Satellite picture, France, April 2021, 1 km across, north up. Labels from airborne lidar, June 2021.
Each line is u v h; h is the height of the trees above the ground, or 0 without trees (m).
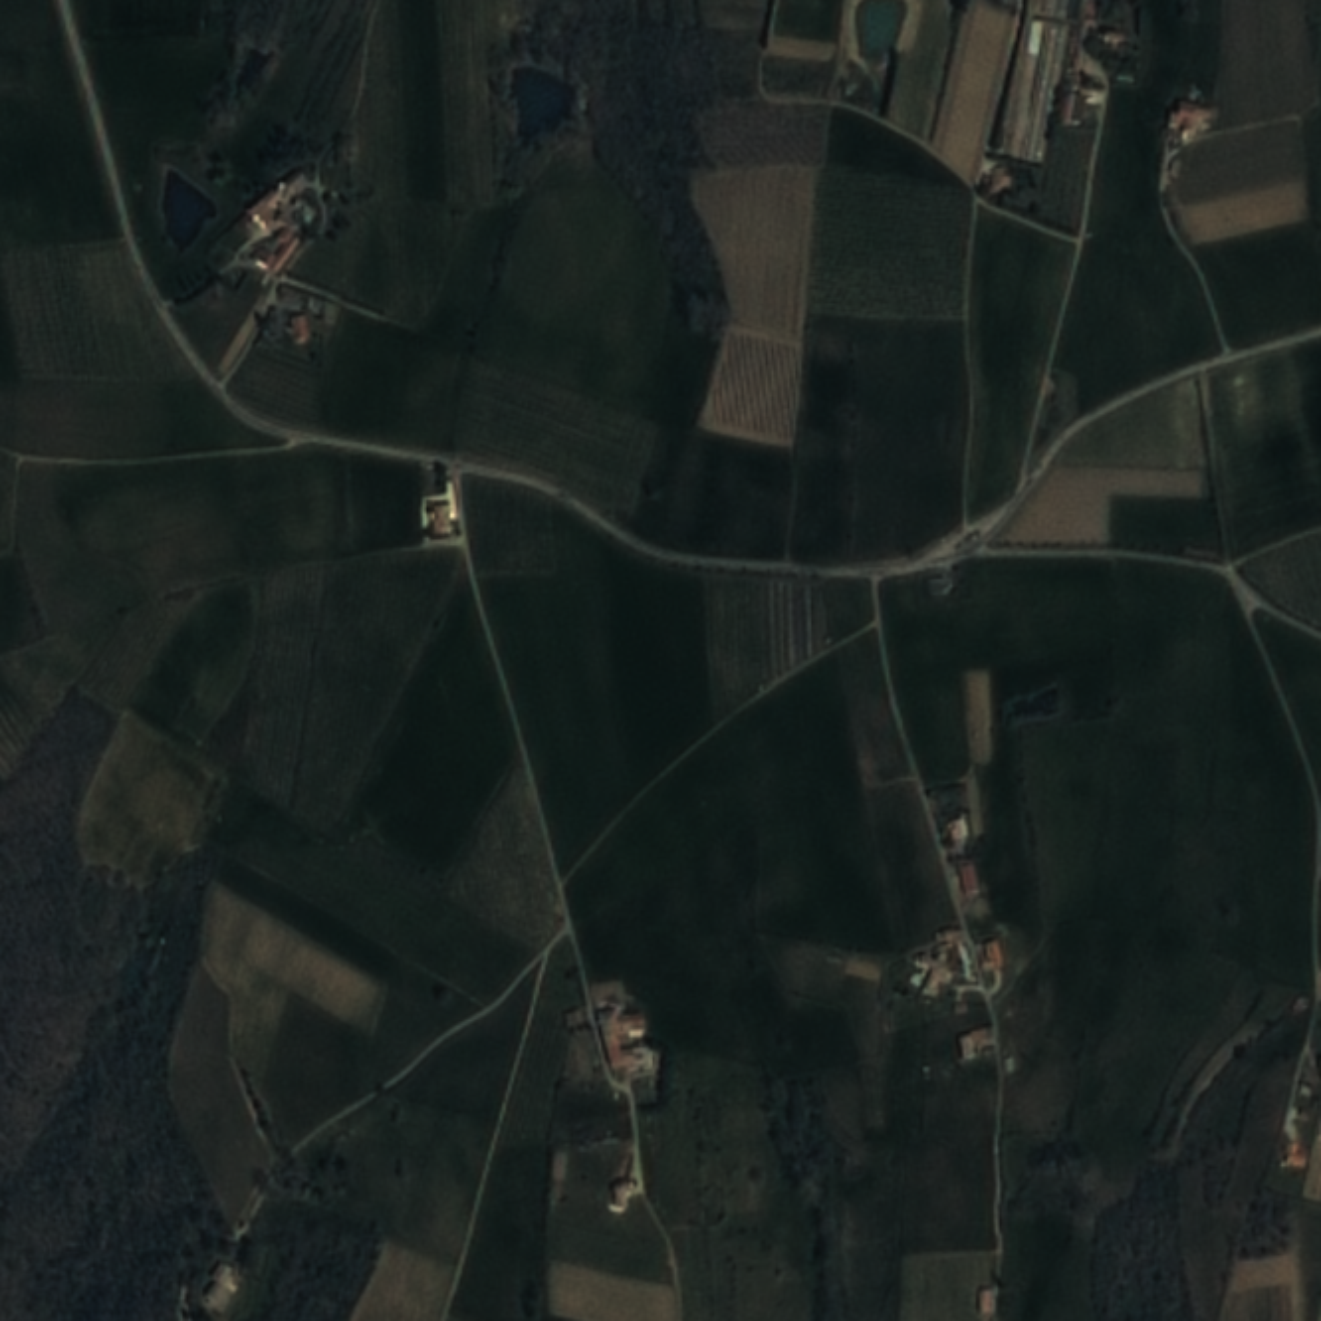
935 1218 0
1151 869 0
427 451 0
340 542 0
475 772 0
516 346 0
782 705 0
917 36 0
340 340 0
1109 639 0
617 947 0
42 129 0
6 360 0
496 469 0
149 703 0
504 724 0
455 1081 0
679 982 0
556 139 8
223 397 0
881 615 0
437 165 0
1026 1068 0
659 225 12
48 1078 7
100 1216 8
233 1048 0
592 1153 0
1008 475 0
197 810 0
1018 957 0
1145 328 0
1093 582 0
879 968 0
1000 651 0
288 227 0
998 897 7
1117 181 0
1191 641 0
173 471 0
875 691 0
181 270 0
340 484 0
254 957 0
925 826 0
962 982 0
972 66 0
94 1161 6
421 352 0
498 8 0
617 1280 0
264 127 0
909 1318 0
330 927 0
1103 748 0
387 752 0
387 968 0
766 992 0
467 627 0
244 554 0
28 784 9
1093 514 0
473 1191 0
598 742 0
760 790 0
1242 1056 7
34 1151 9
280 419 0
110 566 0
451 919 0
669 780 0
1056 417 0
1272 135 0
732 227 0
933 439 0
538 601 0
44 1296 18
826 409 0
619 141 16
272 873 0
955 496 0
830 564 0
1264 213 0
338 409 0
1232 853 0
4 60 0
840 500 0
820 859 0
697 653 0
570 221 0
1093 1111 0
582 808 0
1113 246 0
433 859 0
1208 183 0
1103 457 0
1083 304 0
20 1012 13
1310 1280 0
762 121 7
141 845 0
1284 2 0
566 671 0
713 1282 0
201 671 0
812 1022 0
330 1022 0
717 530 0
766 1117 13
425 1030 0
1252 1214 6
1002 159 7
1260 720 0
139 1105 11
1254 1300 0
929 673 0
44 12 0
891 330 0
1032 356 0
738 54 0
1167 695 0
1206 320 0
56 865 12
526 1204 0
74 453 0
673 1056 9
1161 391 0
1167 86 0
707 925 0
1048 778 0
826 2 0
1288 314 0
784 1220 0
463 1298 0
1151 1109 0
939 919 0
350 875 0
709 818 0
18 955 11
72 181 0
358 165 0
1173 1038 0
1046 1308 0
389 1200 0
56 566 0
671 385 0
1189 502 0
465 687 0
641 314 0
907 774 0
